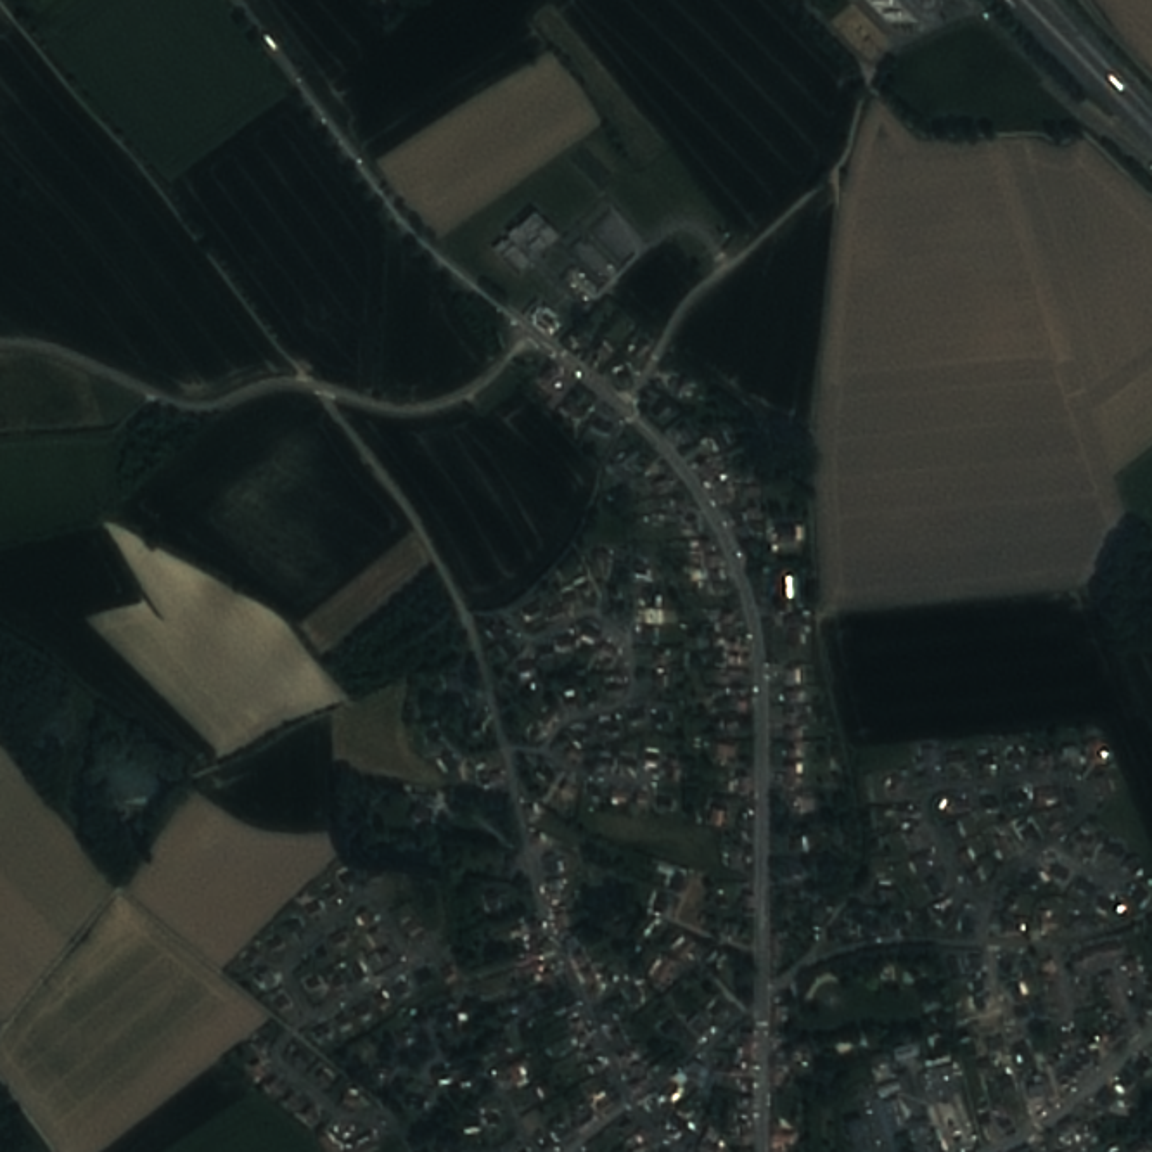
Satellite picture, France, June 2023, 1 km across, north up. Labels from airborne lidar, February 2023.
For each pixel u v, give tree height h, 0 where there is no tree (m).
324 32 0
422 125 0
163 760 22
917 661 0
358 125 0
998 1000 0
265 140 0
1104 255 0
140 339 0
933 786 0
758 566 11
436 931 0
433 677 14
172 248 0
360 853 33
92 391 0
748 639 0
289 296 0
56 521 0
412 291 0
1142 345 0
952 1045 10
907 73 0
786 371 0
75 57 0
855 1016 0
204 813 0
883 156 0
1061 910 0
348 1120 0
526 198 0
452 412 0
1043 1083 0
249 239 0
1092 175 0
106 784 16
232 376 0
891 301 0
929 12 0
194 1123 0
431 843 15
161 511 0
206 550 0
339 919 0
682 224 0
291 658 0
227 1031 0
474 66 0
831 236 0
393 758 0
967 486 0
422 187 0
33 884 0
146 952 0
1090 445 0
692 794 12
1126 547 22
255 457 0
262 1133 0
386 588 0
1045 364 0
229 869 0
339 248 0
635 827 0
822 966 8
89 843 22
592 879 0
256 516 0
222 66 0
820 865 14
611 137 6
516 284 0
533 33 0
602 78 0
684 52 0
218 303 0
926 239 0
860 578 0
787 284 0
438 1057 0
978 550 0
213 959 0
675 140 0
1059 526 0
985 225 0
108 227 0
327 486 0
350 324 0
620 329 0
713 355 0
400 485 0
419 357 0
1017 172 0
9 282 0
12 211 0
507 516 0
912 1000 0
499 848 6
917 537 0
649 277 0
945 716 0
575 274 0
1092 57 0
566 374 0
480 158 0
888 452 0
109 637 0
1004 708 0
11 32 0
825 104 0
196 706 0
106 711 11
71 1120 0
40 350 0
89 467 0
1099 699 0
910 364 0
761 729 0
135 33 0
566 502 0
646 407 10
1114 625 22
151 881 0
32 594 0
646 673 11
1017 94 0
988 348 0
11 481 0
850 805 7
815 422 0
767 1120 0
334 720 0
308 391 0
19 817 0
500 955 19
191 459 0
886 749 0
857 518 0
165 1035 0
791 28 0
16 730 16
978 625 0
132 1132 0
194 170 0
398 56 0
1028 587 0
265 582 0
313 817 0
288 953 0
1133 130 0
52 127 0
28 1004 0
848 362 0
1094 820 8
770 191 0
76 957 0
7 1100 7
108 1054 0
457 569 0
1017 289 0
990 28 0
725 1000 0
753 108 0
